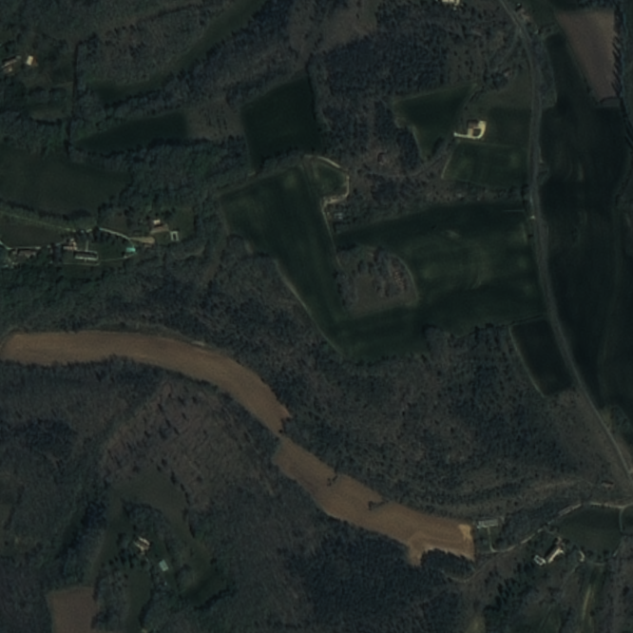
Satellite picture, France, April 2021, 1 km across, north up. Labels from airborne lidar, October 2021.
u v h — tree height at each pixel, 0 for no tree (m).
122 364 21
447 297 0
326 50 0
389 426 10
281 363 9
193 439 0
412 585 19
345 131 13
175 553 20
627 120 8
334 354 9
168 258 13
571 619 12
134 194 9
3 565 11
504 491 8
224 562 21
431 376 8
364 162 8
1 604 18
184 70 0
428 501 7
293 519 12
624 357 0
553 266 0
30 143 21
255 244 0
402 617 10
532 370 0
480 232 0
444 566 16
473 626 0
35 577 13
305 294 0
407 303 0
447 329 0
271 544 16
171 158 23
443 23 13
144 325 16
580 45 0
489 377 12
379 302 0
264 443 19
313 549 11
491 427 9
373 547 13
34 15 24
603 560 10
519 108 0
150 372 12
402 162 10
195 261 12
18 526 14
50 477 13
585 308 0
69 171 0
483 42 11
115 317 9
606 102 8
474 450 5
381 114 16
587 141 0
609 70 0
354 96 15
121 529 0
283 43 10
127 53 13
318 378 9
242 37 12
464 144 0
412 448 6
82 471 20
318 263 0
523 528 16
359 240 0
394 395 9
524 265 0
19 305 25
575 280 0
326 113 13
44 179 0
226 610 18
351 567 17
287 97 0
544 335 0
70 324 10
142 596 0
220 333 6
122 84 17
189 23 17
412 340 0
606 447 0
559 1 0
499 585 0
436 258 0
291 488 19
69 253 10
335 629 11
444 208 0
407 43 13
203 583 0
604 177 0
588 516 0
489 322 0
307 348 12
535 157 0
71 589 13
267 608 14
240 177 22
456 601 15
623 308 0
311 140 0
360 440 10
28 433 17
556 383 0
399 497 12
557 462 7
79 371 14
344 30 0
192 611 22
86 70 23
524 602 11
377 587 14
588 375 0
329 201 0
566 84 0
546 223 0
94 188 0
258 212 0
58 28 21
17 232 0
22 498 17
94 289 16
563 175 0
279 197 0
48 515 20
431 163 14
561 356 0
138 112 18
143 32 11
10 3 25
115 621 19
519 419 12
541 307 0
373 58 17
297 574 10
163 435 6
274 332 11
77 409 9
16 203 0
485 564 10
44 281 16
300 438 17
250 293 9
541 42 14
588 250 0
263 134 0
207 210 13
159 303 25
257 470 11
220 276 11
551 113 0
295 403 13
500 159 0
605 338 0
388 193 18
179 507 0
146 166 19
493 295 0
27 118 11
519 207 0
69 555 16
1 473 19
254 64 11
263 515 13
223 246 0
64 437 20
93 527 20
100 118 19
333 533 12
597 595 0
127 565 17
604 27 0
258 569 19
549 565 0
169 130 0
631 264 0
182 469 9
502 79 15
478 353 9
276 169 15
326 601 19
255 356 14
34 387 14
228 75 13
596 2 7
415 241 0
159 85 0
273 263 19
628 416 0
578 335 0
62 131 16
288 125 0
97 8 21
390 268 16
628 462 0
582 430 0
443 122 0
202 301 9
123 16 15
